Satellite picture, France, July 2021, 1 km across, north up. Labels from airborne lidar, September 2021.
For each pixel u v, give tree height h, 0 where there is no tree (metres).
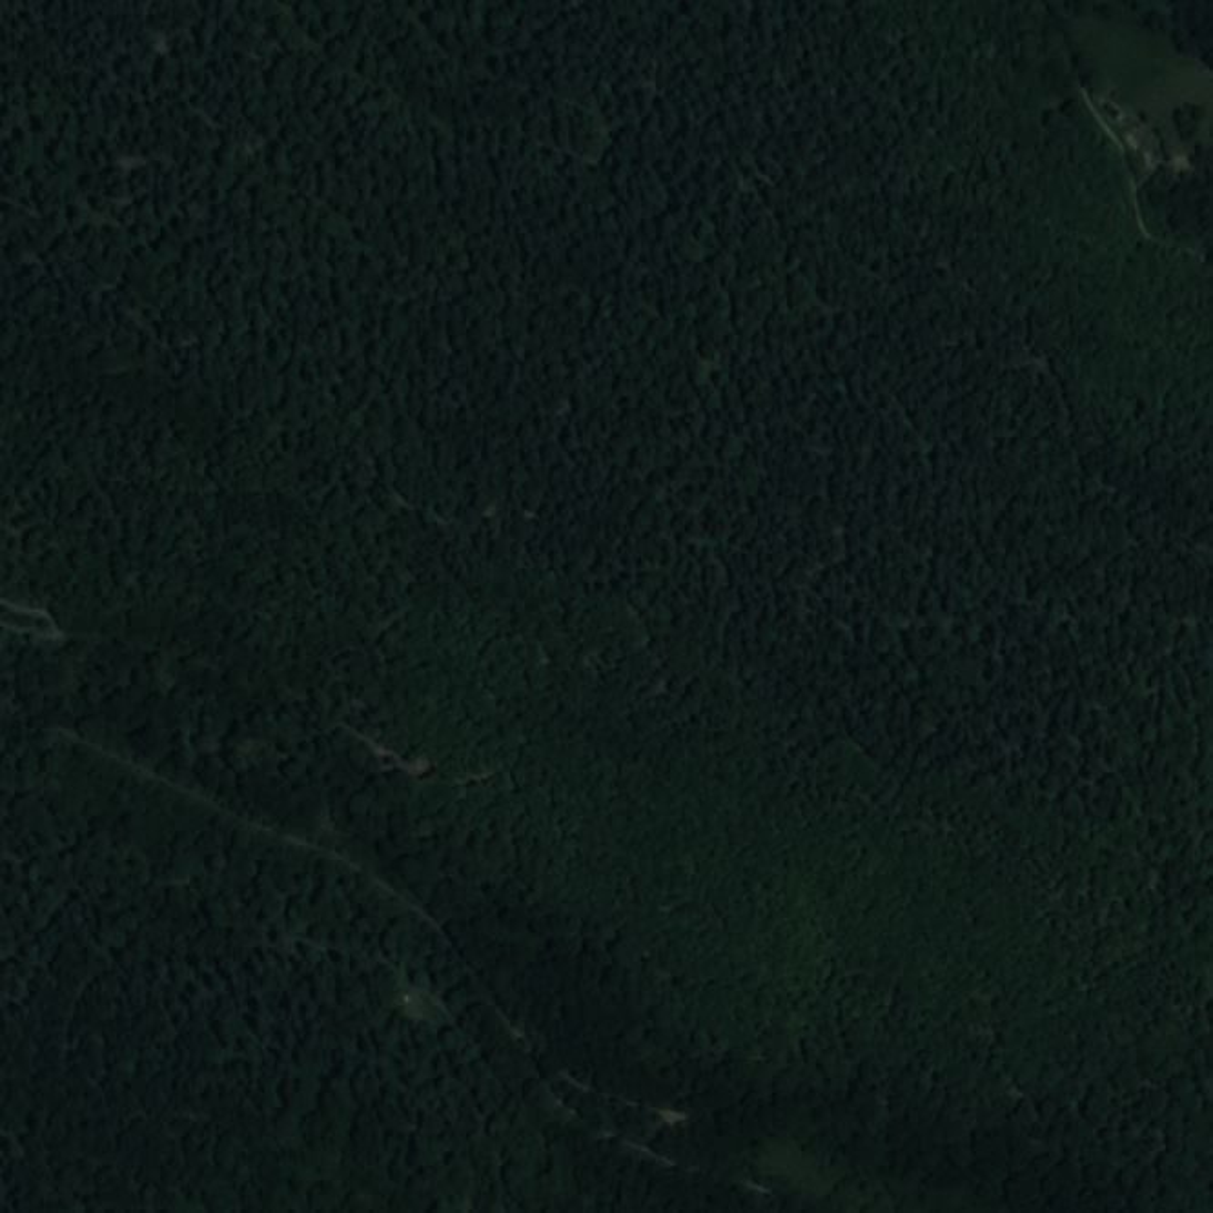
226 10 31
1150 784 21
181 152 16
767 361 20
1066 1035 22
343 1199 14
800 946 19
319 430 27
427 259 19
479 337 23
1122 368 21
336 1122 20
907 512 24
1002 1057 27
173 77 22
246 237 20
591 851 19
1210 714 20
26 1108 20
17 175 30
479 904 29
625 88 24
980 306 19
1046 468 17
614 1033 26
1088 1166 18
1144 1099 22
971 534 16
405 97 12
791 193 18
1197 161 17
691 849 21
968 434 22
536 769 18
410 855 31
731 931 17
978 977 19
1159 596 15
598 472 30
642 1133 12
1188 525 21
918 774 18
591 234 30
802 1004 23
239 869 36
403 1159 16
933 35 18
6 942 25
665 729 19
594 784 16
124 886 26
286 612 21
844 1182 8
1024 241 18
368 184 24
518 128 12
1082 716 21
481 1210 9
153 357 25
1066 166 26
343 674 9
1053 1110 33
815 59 30
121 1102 23
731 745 24
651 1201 27
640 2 26
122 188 31
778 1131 11
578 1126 9
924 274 22
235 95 18
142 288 26
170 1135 7
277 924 27
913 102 23
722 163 21
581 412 25
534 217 18
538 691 21
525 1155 24
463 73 15
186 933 9
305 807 25
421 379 33
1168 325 23
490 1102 29
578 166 36
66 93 11
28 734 15
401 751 25
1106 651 23
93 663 10
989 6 22
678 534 9
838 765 21
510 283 25
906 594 19
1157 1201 25
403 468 24
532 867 24
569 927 25
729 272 27
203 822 9
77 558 25
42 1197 11
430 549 18
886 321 20
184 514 24
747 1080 31
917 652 29
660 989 26
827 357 16
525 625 14
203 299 24
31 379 14
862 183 7
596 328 28
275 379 23
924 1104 21
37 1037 17
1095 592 24
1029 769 20
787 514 13
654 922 23
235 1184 16
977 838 19
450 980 32
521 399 25
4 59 12
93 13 30
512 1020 9
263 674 13
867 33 26
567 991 27
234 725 7
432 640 21
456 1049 20
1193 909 17
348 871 9
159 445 22
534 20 24
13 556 22
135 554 24
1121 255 22
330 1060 7
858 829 19
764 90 14
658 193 32
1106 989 20
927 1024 21
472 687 16
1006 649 24
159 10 23
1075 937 21
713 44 31
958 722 27
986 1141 20
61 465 22
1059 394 21
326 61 11
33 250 24
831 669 28
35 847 27
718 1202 23
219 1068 20
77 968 20
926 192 15
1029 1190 31
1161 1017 21
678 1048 24
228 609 17
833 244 20
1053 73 30
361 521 23
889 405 25
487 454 14
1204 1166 20
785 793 18
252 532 20
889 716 28
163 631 11
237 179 26
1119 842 18
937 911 20
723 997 23
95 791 7
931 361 29
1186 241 7
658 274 14
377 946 18
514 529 24
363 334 20
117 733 8
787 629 14
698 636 23
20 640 19
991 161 27
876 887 22
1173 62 0
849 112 17
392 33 28
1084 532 24
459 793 19
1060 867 19
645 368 26
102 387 12
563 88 32
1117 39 0
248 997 17
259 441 19
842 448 20
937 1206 8
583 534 22
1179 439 16
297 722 6
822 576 10
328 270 24
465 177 17
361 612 23
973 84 18
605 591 28
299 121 34
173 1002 17
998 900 19
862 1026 24
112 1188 14
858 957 19
